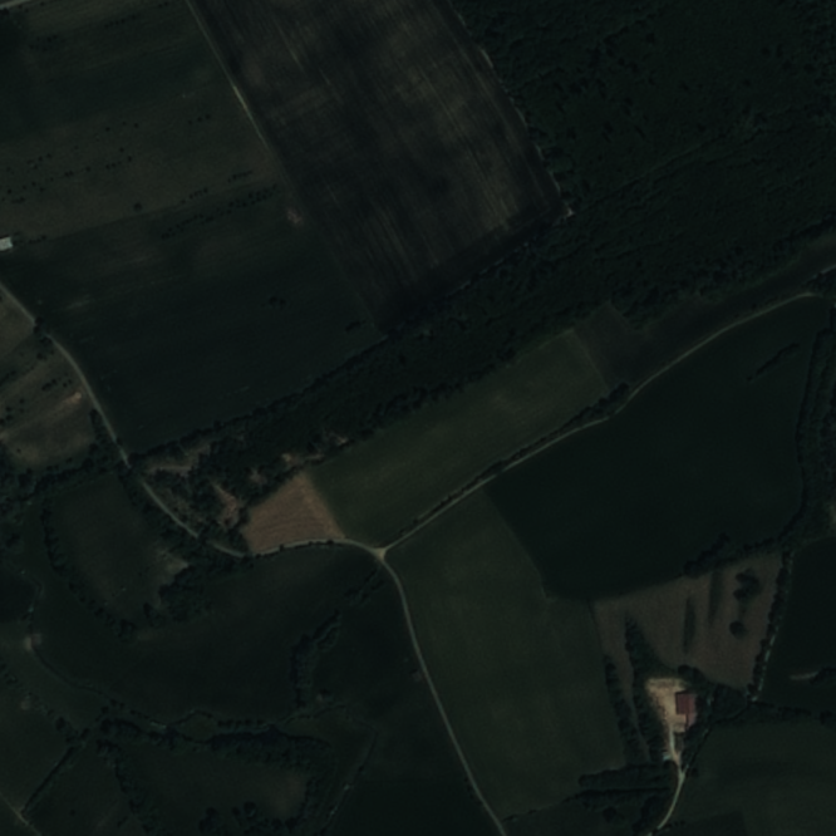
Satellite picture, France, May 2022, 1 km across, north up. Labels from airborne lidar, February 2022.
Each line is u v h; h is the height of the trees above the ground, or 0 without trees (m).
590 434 0
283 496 0
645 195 8
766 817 0
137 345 0
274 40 0
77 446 0
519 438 0
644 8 26
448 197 0
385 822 0
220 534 8
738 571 0
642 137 27
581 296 11
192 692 0
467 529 0
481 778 0
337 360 0
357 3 0
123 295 0
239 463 9
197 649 0
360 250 0
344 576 0
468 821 0
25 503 11
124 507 0
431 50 0
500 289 12
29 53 0
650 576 0
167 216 0
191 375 0
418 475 0
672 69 9
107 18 0
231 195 0
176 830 0
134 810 12
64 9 0
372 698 0
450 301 11
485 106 0
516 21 27
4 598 0
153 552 0
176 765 0
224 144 0
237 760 12
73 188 0
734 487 0
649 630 0
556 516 0
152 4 0
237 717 0
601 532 0
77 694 0
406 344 9
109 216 0
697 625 0
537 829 0
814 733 0
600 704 0
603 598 0
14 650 0
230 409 0
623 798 11
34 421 0
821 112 26
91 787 0
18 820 0
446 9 0
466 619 0
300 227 0
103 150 0
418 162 0
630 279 14
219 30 0
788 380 0
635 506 0
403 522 0
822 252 0
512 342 15
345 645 0
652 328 0
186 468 0
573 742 0
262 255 0
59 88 0
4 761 0
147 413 0
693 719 0
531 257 18
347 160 0
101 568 0
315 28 0
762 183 7
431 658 0
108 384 0
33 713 0
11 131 0
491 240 0
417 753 0
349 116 0
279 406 9
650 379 0
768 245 11
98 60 0
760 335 0
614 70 27
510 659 0
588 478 0
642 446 0
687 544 0
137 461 17
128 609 0
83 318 0
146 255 0
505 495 0
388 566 0
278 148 0
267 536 0
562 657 0
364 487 0
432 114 0
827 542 0
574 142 28
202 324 0
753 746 0
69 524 0
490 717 0
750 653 0
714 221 10
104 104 0
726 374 0
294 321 0
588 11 28
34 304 0
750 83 22
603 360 0
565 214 0
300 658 20
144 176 0
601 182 6
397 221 0
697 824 0
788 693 0
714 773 0
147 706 0
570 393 0
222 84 0
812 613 0
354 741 0
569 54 26
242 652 0
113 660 0
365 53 0
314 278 0
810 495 13
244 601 0
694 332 0
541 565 0
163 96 0
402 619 0
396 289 0
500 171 0
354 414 11
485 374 17
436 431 0
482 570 0
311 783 7
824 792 0
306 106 0
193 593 17
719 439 0
